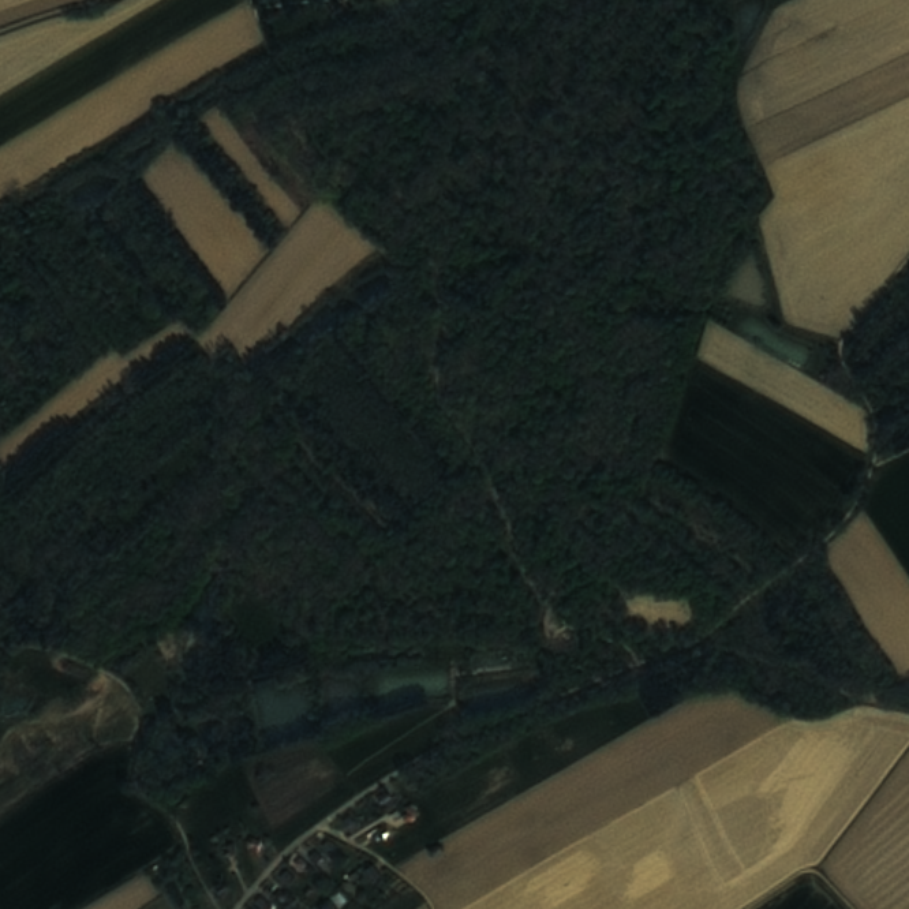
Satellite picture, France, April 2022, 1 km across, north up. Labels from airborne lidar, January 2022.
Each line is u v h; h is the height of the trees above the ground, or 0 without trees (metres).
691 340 22
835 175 0
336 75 31
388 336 24
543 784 0
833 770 0
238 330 0
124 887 0
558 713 20
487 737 25
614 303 23
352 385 18
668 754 0
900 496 0
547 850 0
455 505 29
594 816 0
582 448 27
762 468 0
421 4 20
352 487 8
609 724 0
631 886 0
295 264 0
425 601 20
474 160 33
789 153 0
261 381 23
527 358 24
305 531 29
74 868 0
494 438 22
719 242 25
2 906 0
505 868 0
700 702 0
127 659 16
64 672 0
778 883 0
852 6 0
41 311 25
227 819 0
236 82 17
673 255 25
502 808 0
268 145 30
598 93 26
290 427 21
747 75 0
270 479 32
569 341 24
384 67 36
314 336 19
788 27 0
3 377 27
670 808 0
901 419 25
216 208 0
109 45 0
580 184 25
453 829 0
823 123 0
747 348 0
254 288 0
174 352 19
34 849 0
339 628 22
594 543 28
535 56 35
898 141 0
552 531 27
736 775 0
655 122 27
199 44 0
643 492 15
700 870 0
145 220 24
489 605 26
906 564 0
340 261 0
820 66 0
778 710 15
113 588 25
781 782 0
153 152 15
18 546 25
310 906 0
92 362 17
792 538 0
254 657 25
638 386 25
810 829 0
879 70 0
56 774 17
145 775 19
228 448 32
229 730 23
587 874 0
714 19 29
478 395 27
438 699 0
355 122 30
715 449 0
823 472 0
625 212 30
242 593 24
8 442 0
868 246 0
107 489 16
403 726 0
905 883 0
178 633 16
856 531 0
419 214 31
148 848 0
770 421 0
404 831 0
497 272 28
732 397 0
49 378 22
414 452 18
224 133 0
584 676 19
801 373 0
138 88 0
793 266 0
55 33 0
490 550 25
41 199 9
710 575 26
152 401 14
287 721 0
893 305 29
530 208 25
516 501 27
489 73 31
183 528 29
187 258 25
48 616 27
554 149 33
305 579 31
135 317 10
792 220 0
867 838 0
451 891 0
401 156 29
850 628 20
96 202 15
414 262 17
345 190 10
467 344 26
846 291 0
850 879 0
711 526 7
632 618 25
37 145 0
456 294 25
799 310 0
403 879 0
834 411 0
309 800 0
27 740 21
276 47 22
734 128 25
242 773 0
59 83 0
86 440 14
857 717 0
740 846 0
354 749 0
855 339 17
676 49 27
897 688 19
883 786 0
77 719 0
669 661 24
